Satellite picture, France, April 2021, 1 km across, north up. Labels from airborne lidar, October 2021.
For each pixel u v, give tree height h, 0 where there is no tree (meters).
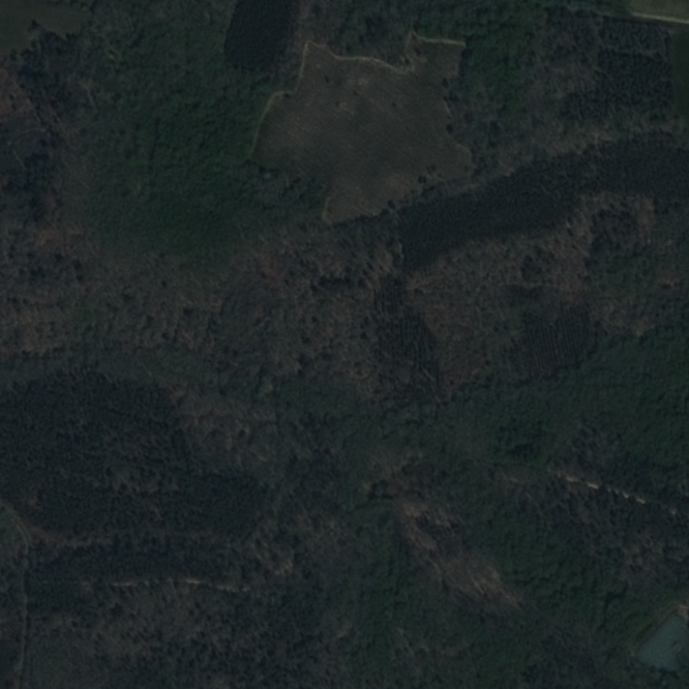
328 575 16
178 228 19
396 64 14
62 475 10
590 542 17
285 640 16
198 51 17
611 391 23
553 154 14
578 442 18
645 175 15
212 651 13
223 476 21
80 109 18
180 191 18
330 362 23
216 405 16
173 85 14
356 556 16
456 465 22
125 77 21
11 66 6
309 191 14
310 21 8
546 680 22
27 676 12
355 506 24
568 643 19
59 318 22
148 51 20
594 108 19
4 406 20
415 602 21
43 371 18
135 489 11
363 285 16
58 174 17
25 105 12
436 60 0
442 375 10
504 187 16
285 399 20
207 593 13
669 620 0
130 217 19
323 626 19
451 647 14
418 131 0
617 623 26
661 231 9
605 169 17
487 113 18
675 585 15
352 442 21
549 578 33
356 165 0
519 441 25
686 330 19
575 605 30
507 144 14
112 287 12
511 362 16
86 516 16
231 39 12
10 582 25
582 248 14
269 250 7
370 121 0
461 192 13
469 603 18
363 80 0
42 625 13
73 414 17
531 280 22
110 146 17
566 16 24
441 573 23
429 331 11
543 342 9
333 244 14
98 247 20
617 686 15
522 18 27
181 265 17
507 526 29
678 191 16
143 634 9
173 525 19
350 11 12
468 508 23
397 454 18
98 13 14
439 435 19
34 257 9
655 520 19
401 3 10
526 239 12
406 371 7
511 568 30
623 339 18
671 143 14
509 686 18
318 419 20
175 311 11
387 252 18
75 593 20
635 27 14
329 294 23
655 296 7
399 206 7
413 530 17
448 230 15
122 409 17
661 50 17
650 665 6
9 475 19
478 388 14
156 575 21
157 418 17
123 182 16
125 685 14
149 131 14
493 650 19
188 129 18
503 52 22
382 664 18
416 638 22
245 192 15
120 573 21
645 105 14
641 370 23
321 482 27
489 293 11
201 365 17
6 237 13
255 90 13
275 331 15
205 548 13
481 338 14
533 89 21
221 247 18
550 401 25
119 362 21
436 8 20
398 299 12
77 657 14
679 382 27
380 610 21
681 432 23
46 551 22
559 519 22
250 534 10
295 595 19
